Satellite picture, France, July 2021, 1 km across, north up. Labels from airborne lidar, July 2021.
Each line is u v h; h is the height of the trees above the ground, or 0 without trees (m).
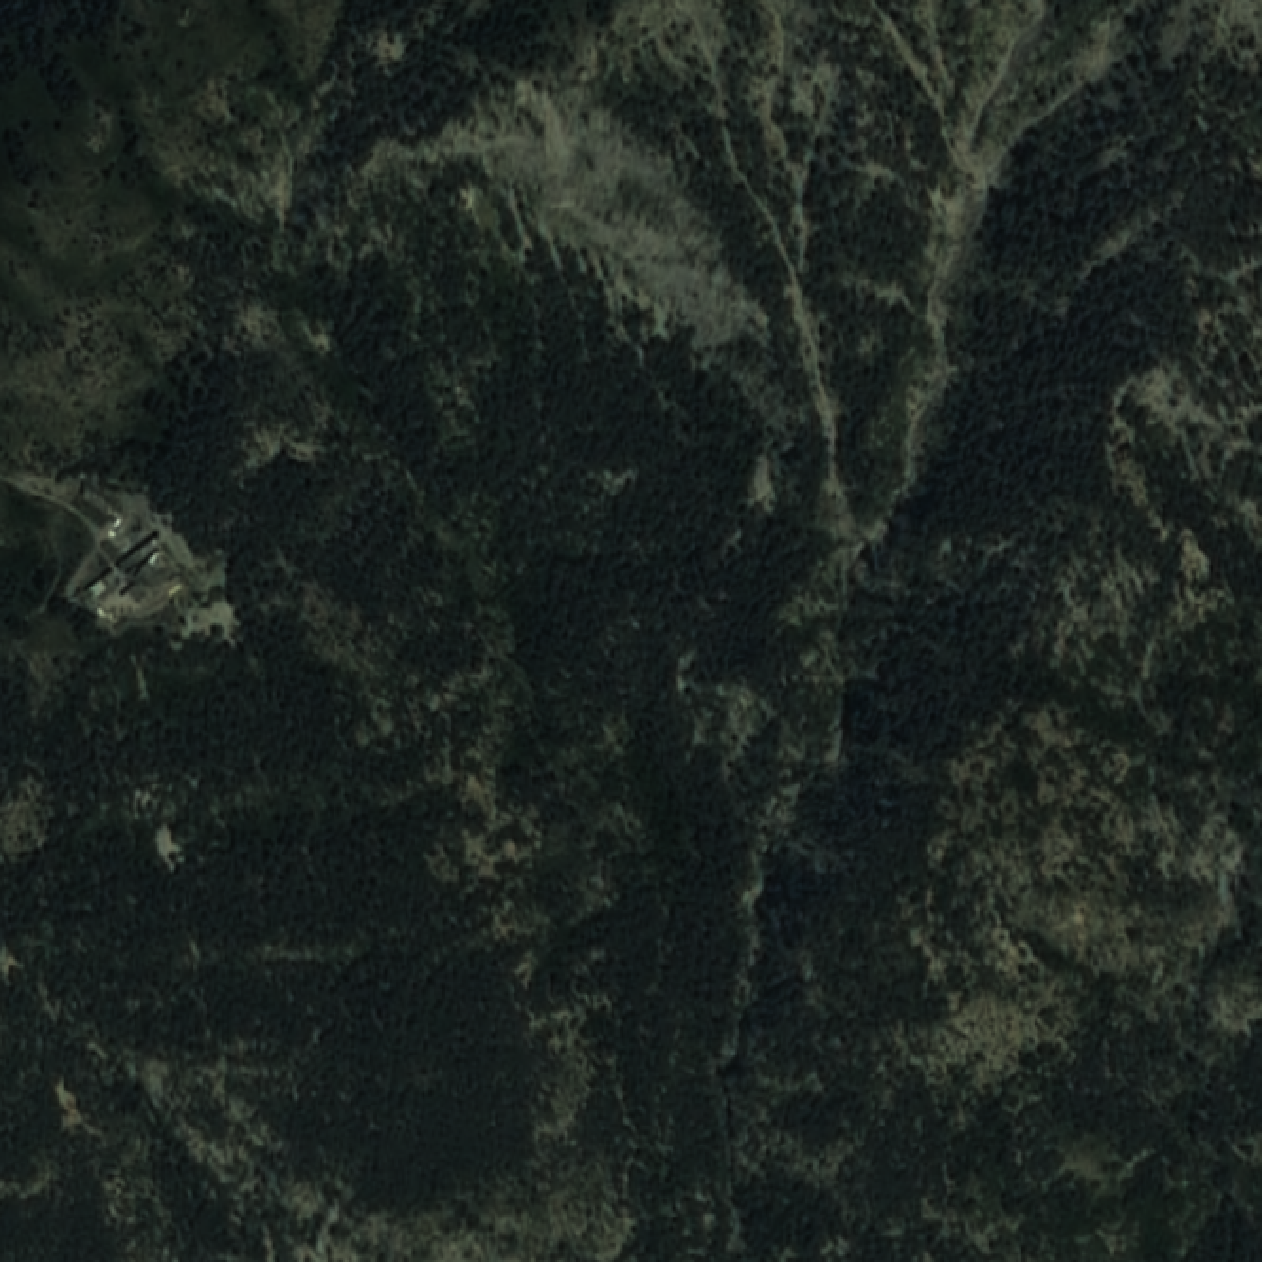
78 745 12
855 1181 8
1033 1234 8
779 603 11
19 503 6
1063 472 11
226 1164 6
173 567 0
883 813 12
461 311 9
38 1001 9
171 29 0
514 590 9
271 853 18
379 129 10
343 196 9
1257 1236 11
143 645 14
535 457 12
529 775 11
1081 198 6
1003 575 7
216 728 10
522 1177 7
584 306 9
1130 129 6
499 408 15
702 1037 13
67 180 0
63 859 8
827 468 6
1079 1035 6
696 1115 8
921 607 14
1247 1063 9
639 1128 7
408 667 6
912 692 18
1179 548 9
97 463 6
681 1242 7
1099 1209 9
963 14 9
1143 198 7
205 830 7
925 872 7
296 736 12
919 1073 7
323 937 11
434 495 16
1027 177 11
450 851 10
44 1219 9
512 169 0
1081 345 15
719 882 14
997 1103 10
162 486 13
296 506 7
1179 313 9
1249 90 11
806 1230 8
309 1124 10
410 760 8
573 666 12
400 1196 8
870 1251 12
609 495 8
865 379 13
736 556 11
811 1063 11
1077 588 6
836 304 11
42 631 0
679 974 10
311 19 0
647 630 9
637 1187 9
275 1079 5
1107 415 9
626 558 6
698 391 15
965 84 6
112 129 0
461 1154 9
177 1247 8
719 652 8
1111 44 0
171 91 0
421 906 9
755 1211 13
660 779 6
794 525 8
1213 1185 6
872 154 6
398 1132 9
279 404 9
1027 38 0
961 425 15
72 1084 8
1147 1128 10
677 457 8
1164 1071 8
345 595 7
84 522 0
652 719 9
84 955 9
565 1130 7
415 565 16
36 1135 9
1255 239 8
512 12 11
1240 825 7
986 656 9
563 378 10
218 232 6
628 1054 11
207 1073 6
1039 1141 6
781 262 9
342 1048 8
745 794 12
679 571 12
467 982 12
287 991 9
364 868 11
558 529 7
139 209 0
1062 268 7
